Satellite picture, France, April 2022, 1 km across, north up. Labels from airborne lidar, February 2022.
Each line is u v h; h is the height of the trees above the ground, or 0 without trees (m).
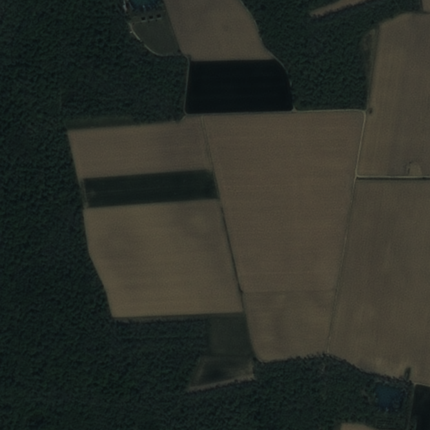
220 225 0
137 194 0
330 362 16
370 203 0
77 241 12
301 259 0
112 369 17
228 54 0
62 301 14
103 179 0
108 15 19
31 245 19
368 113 0
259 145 0
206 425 15
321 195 0
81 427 13
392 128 0
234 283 0
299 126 0
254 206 0
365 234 0
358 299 0
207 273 0
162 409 11
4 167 13
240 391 15
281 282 0
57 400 14
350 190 0
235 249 0
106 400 11
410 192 0
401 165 0
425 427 0
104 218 0
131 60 17
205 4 0
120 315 0
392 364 0
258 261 0
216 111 0
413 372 0
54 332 14
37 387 16
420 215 0
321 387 16
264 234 0
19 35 15
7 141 14
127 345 16
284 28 8
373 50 0
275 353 0
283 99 0
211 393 12
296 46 5
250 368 0
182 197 0
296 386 12
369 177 0
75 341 15
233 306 0
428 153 0
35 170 12
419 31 0
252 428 15
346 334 0
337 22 14
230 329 0
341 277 0
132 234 0
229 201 0
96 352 18
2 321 20
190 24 0
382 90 0
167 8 0
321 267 0
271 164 0
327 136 0
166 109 14
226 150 0
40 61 15
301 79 12
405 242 0
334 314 0
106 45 6
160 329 13
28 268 15
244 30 0
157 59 11
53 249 17
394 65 0
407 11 9
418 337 0
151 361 9
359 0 0
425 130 0
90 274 12
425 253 0
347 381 15
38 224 16
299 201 0
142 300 0
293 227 0
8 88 12
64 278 15
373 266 0
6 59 16
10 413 19
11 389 20
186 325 8
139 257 0
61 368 21
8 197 13
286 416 13
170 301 0
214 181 0
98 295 22
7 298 18
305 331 0
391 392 0
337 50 14
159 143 0
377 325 0
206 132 0
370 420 17
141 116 11
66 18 14
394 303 0
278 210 0
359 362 0
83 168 0
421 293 0
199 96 0
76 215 16
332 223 0
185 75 11
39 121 7
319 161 0
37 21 18
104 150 0
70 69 16
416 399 0
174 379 16
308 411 11
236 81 0
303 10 14
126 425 16
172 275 0
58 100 10
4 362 17
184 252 0
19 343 15
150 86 20
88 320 20
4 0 9
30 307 16
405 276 0
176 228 0
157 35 0
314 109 11
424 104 0
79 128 0
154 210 0
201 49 0
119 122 0
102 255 0
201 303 0
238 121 0
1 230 21
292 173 0
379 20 16
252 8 13
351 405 13
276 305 0
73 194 11
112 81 20
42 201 16
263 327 0
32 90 13
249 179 0
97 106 13
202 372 0
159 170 0
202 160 0
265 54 0
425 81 0
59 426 14
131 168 0
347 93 11
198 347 9
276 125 0
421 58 0
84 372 16
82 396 17
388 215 0
